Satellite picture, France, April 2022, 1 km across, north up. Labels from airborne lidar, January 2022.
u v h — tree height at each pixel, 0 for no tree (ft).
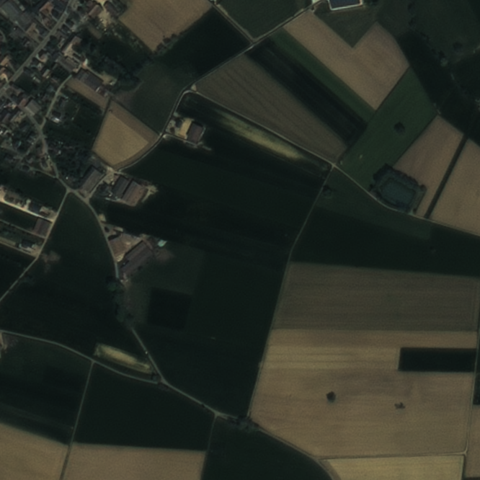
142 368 0
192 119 0
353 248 0
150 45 0
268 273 0
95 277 0
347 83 0
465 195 0
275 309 0
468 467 0
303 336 0
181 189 0
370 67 0
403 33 0
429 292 0
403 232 0
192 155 0
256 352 0
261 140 0
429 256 0
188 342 0
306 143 0
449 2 0
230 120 0
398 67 0
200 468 0
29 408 0
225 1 0
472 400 0
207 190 0
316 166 0
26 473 0
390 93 0
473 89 0
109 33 0
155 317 0
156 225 0
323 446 0
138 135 0
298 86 0
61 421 0
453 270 0
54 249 0
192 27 0
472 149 0
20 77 0
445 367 0
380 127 0
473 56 0
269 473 0
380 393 0
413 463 0
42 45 0
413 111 0
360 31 0
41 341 0
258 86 0
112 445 0
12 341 0
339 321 0
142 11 0
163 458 0
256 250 0
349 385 0
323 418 0
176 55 0
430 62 0
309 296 0
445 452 0
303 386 0
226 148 0
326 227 0
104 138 0
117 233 0
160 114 0
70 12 46
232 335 0
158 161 0
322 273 0
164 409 0
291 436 0
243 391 0
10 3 0
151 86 0
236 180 0
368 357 0
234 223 0
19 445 0
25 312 0
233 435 0
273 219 0
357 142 0
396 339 0
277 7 0
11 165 0
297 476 0
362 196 0
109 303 0
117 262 0
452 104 0
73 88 0
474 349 0
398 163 0
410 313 0
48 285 0
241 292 0
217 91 0
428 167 0
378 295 0
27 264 0
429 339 0
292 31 0
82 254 0
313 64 0
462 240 0
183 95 0
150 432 0
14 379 0
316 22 0
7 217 0
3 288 0
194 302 0
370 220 0
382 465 0
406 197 0
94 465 0
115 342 0
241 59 0
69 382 0
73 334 0
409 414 0
